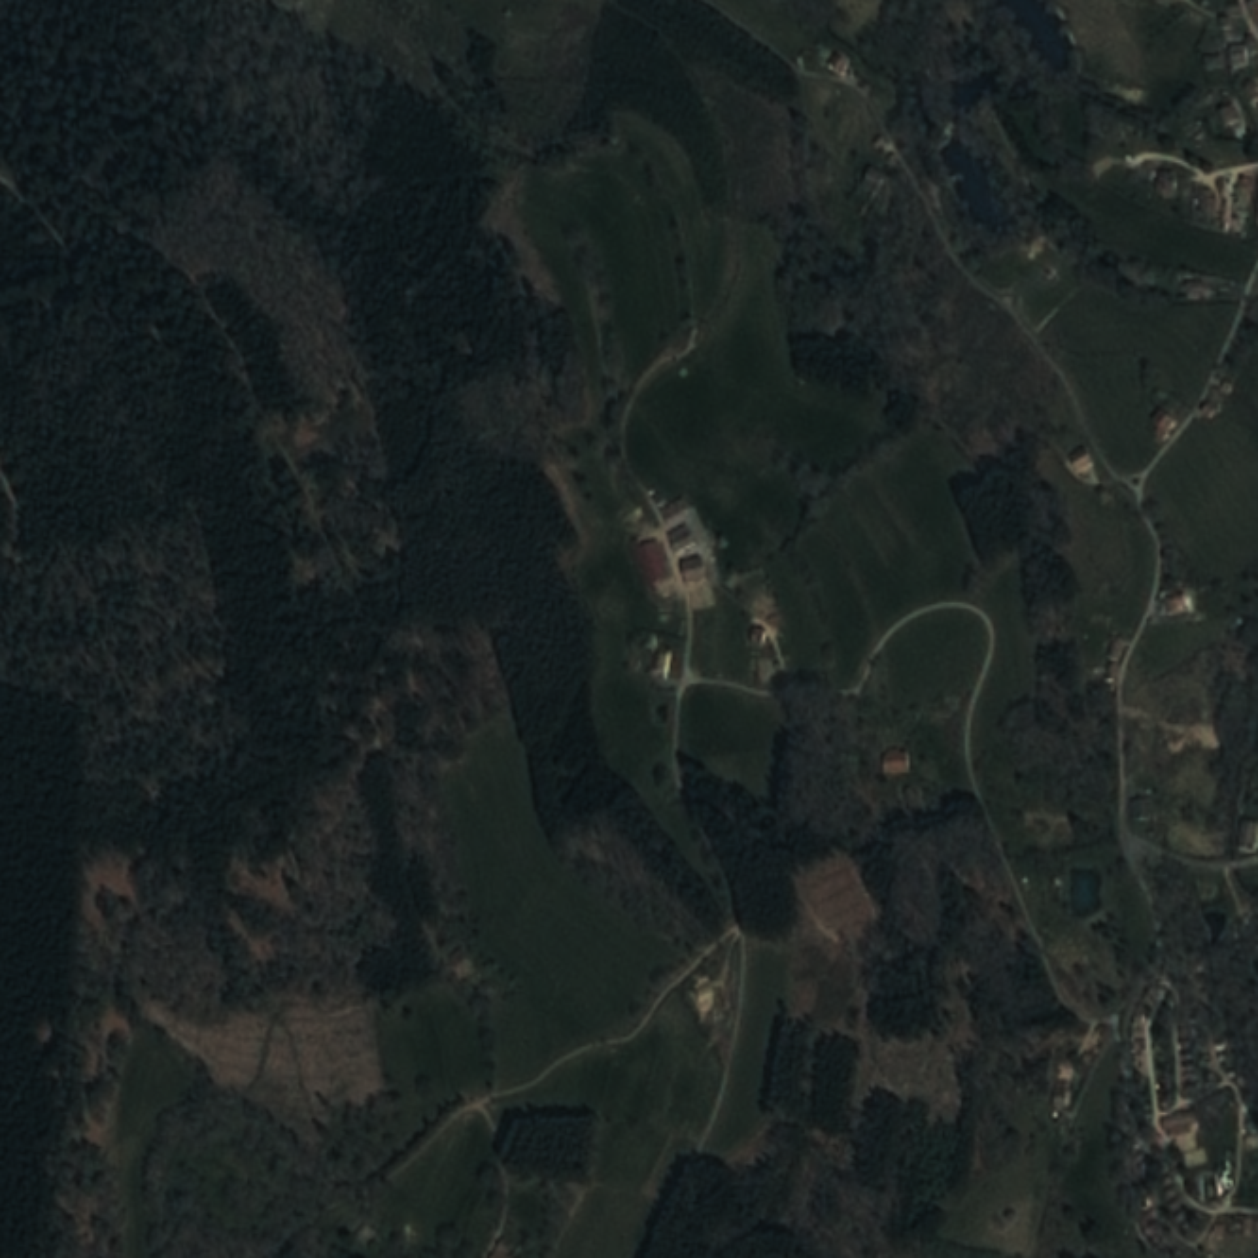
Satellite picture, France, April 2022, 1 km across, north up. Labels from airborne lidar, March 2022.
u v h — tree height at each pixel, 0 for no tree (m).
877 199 0
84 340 21
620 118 0
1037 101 17
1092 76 0
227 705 26
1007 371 0
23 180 34
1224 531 0
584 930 0
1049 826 9
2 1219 21
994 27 19
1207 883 0
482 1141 0
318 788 22
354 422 0
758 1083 0
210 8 18
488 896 0
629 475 16
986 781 0
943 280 13
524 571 28
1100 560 0
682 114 6
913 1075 0
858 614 0
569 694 22
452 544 24
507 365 30
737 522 0
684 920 19
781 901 27
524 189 0
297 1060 0
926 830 16
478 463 26
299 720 26
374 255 20
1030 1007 29
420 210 18
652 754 0
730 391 0
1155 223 0
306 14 0
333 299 26
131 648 19
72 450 18
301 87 18
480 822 0
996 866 34
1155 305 19
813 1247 29
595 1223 0
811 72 0
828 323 18
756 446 0
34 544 19
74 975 22
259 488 30
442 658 14
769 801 0
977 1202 0
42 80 28
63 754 18
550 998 0
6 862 20
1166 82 0
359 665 13
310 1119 0
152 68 21
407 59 0
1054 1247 0
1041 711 13
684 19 12
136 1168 0
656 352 0
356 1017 0
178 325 24
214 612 12
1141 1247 0
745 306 0
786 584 0
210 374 23
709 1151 0
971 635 0
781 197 0
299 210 15
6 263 15
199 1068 11
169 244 24
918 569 0
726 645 0
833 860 23
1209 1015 21
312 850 17
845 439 0
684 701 0
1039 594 24
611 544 0
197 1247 17
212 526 24
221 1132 20
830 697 30
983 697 0
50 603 25
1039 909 0
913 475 0
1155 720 0
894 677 0
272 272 28
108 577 24
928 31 16
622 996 0
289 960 11
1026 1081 14
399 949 15
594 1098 0
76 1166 22
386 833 18
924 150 16
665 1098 0
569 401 31
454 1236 18
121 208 8
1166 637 0
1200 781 0
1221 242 0
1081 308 0
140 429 25
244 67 22
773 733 0
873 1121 22
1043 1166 0
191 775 13
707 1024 0
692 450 0
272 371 17
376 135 14
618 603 0
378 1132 15
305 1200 15
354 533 22
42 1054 16
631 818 24
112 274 28
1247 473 0
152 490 19
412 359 24
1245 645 15
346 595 16
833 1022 0
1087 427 0
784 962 0
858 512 0
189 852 24
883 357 22
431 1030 0
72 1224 19
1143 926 0
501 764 0
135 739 17
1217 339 0
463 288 21
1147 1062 0
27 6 27
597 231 0
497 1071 11
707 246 0
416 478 22
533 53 0
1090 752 21
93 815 18
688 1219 27
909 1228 16
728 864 23
